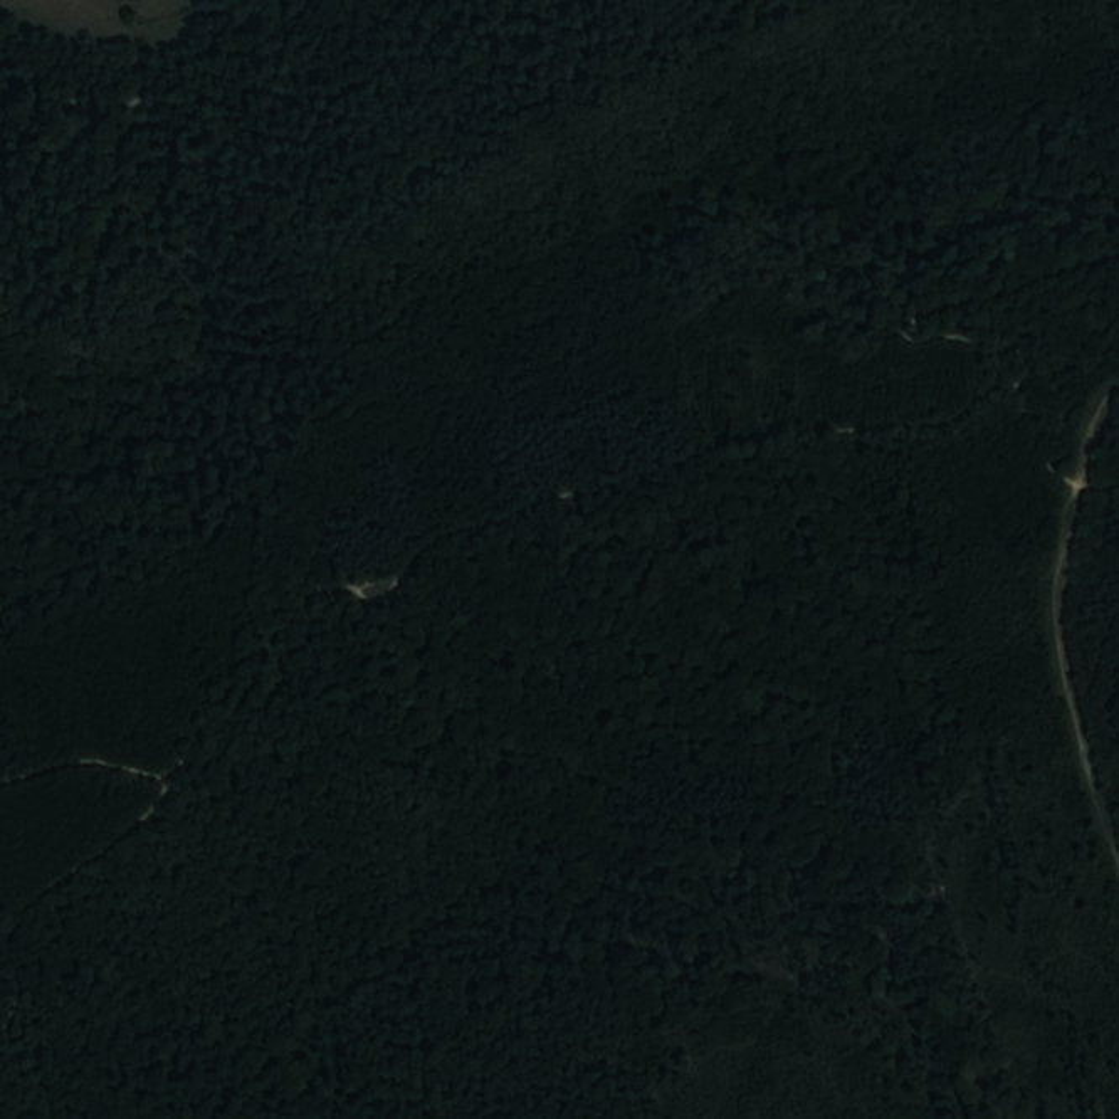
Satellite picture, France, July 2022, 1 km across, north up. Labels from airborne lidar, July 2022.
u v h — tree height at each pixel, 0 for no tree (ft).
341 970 71
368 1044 71
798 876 75
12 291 97
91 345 64
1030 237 87
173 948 57
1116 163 96
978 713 60
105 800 46
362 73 82
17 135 31
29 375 82
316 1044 84
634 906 72
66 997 82
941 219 101
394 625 89
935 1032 73
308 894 71
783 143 70
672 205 73
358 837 73
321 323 83
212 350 58
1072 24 66
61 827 46
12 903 56
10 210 44
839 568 68
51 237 89
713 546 100
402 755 75
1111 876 37
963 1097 98
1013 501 60
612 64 75
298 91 56
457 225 62
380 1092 76
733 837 95
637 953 115
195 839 64
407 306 59
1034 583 53
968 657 61
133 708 54
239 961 65
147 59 67
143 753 48
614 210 98
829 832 74
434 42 76
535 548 86
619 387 76
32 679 58
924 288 106
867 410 17
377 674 89
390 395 56
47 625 86
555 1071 70
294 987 65
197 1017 77
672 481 88
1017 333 77
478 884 83
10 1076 59
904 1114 30
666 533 97
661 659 97
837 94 68
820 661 84
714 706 85
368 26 54
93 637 54
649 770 91
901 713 22
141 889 62
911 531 38
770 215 37
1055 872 24
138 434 108
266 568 75
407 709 87
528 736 73
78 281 120
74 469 74
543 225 68
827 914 73
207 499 21
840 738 78
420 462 52
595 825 91
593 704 103
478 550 84
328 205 68
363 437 57
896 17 59
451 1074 67
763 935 66
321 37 62
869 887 75
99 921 72
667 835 99
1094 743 54
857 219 35
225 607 53
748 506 79
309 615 70
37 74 62
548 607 83
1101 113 79
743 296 22
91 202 86
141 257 109
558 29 79
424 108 89
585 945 110
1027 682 54
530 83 67
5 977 64
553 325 78
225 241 91
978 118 76
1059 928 17
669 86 56
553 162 51
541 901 99
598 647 83
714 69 59
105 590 92
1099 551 54
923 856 48
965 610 54
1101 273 84
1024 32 71
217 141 74
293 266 74
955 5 45
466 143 75
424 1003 83
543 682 71
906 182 36
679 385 58
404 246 51
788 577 73
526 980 79
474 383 65
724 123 78
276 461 90
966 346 23
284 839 60
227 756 89
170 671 61
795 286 88
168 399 22
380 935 91
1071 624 48
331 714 94
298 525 76
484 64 84
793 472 75
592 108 62
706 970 98
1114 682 44
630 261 73
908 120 74
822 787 81
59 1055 69
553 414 74
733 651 88
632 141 52
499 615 72
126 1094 91
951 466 70
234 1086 75
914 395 28
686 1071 71
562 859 89
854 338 91
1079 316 85
